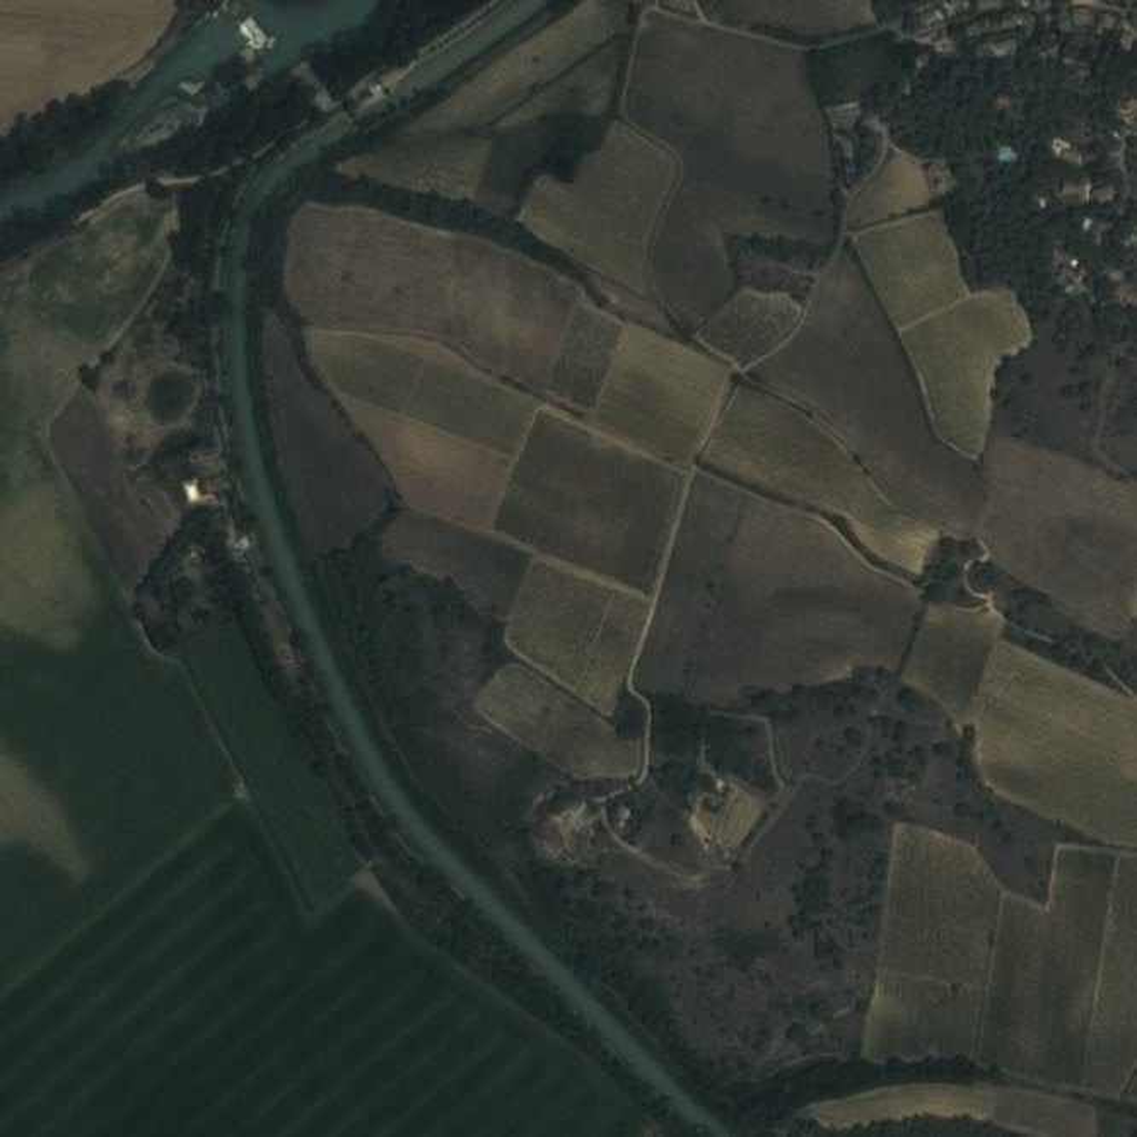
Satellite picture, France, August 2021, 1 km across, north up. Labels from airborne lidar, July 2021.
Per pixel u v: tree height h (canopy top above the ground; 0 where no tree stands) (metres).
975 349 0
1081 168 9
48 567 0
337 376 0
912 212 6
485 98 0
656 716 6
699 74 0
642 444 0
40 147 20
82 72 0
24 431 0
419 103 6
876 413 0
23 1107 0
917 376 0
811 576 0
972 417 0
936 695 0
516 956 13
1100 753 0
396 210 9
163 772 0
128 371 0
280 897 0
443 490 0
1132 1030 0
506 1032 0
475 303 0
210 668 0
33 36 0
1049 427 0
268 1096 0
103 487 0
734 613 0
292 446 0
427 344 0
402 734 11
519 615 0
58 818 0
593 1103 0
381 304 0
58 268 0
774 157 0
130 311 0
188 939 0
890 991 0
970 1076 14
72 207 18
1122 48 9
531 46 0
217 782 0
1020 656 0
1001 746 0
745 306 0
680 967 0
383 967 0
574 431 0
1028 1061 0
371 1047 0
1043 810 0
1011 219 17
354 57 15
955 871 0
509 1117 0
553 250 8
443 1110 0
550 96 0
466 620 8
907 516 0
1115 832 0
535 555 0
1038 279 15
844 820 8
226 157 19
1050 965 0
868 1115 0
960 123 12
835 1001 0
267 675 16
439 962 0
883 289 0
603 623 0
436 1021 0
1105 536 0
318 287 0
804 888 8
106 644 0
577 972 10
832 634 0
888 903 0
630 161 0
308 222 0
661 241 0
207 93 9
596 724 0
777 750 0
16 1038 0
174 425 0
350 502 0
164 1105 0
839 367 0
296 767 0
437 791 7
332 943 0
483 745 0
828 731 0
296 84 9
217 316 17
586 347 0
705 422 0
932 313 0
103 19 0
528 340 0
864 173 15
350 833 7
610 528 0
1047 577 0
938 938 0
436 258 0
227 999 0
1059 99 14
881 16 9
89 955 0
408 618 11
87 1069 0
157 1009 0
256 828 0
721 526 0
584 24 0
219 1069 0
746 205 0
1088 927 0
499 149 0
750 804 0
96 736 0
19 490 0
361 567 13
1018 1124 0
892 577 0
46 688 0
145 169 19
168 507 0
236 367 0
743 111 0
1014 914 0
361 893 0
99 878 0
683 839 8
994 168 13
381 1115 0
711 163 0
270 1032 0
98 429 0
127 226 0
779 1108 15
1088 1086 0
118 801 0
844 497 0
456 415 0
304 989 0
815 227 0
